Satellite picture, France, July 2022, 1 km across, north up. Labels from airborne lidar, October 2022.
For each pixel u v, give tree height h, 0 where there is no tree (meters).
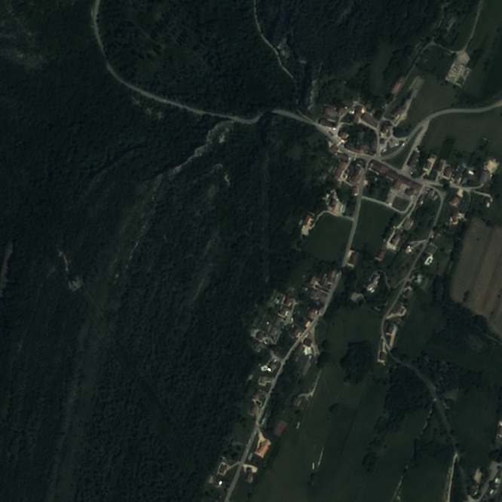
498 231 0
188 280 7
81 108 26
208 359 14
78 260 10
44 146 22
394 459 0
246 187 6
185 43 39
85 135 21
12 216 26
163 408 11
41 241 14
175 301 18
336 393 0
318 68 7
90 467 12
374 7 18
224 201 14
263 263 19
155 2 35
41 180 24
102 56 22
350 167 6
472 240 0
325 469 0
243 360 10
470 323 14
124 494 13
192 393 20
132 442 21
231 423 20
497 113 0
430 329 0
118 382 6
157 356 15
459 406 0
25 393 10
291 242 10
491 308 0
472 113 0
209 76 20
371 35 13
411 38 8
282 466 0
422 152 6
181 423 14
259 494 0
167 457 17
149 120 7
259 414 0
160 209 16
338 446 0
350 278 13
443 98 0
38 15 12
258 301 10
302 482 0
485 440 0
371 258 9
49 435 10
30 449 17
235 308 8
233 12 6
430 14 12
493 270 0
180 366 19
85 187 7
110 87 20
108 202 10
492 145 0
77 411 10
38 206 27
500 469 10
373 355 16
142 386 10
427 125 0
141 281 15
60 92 22
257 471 0
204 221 7
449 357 0
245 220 11
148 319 14
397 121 0
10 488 11
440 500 0
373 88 0
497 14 0
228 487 7
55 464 15
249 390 9
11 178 14
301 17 14
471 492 8
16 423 20
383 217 0
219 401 13
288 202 12
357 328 0
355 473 0
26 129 25
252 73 14
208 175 9
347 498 0
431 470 0
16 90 26
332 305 9
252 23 9
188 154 11
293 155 0
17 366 7
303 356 0
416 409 19
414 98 0
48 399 10
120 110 21
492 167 0
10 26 7
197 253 9
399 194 0
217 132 7
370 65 19
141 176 9
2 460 9
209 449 20
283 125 11
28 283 15
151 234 18
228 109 10
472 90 0
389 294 7
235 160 9
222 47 28
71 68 22
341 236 0
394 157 0
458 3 14
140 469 13
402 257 0
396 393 10
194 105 16
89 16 6
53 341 7
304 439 0
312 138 0
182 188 8
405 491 0
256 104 11
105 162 7
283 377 8
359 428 0
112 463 7
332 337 0
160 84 21
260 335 0
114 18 16
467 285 0
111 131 19
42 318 7
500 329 0
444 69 0
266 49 6
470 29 0
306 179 9
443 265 0
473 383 8
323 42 14
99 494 20
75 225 11
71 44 13
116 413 22
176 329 5
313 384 0
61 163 22
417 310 0
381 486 0
